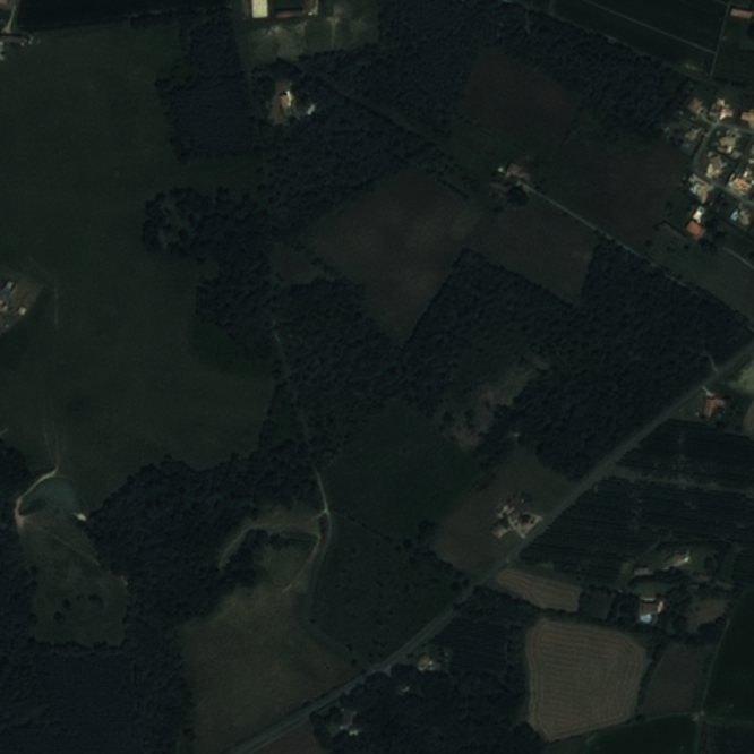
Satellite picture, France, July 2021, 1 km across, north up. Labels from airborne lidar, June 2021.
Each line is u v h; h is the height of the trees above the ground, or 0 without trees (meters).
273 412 14
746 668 0
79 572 0
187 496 23
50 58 0
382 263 0
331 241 0
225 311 13
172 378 0
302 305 10
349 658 0
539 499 0
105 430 0
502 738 21
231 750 0
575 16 0
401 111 10
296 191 8
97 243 0
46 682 12
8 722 11
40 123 0
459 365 12
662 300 17
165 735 19
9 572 14
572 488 0
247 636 0
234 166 0
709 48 0
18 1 0
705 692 0
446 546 0
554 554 6
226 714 0
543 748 16
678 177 0
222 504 17
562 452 17
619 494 6
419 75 16
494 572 0
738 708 0
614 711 0
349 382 11
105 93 0
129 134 0
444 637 8
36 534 0
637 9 0
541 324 5
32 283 0
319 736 16
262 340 6
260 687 0
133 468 0
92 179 0
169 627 15
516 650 16
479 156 0
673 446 6
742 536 6
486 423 0
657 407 19
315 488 22
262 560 15
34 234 0
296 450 15
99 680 12
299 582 0
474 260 12
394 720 13
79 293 0
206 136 12
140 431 0
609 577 7
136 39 0
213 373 0
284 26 0
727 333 15
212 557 12
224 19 6
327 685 0
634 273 15
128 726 10
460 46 17
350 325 10
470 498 0
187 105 13
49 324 0
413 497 0
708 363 14
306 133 19
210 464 0
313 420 10
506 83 0
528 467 0
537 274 0
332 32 0
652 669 7
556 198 0
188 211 22
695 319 16
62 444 0
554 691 0
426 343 10
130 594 9
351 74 25
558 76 13
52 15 0
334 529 0
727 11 0
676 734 0
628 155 0
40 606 0
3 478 17
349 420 8
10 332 0
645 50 0
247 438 0
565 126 0
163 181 0
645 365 12
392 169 13
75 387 0
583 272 0
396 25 16
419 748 13
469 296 9
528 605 13
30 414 0
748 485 6
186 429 0
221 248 19
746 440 6
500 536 0
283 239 15
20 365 0
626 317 12
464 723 20
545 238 0
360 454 0
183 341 0
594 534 7
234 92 12
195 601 16
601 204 0
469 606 8
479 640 7
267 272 8
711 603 0
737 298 0
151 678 18
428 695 15
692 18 0
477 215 0
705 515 7
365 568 0
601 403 13
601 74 20
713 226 17
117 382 0
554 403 7
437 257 0
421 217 0
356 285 8
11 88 0
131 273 0
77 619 0
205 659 0
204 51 10
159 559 18
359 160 13
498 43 15
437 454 0
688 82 12
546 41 12
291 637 0
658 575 9
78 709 13
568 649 0
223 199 18
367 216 0
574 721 0
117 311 0
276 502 12
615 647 0
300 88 16
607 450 10
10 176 0
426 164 8
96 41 0
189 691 12
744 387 0
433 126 12
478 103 0
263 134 10
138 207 0
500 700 22
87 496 0
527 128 0
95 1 0
